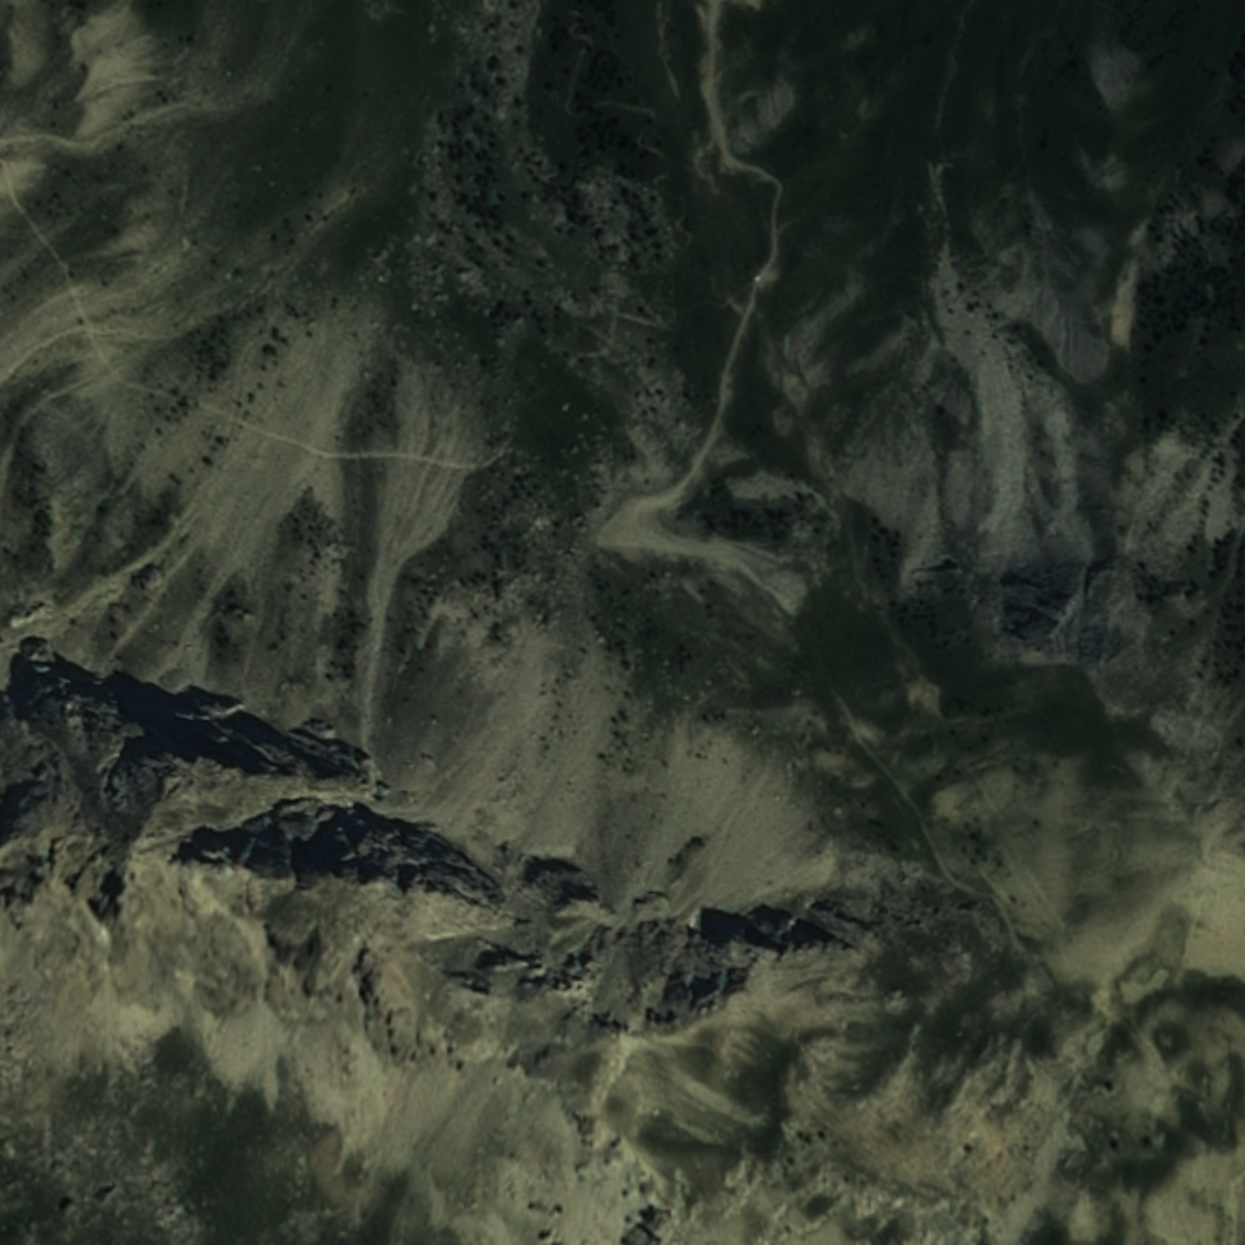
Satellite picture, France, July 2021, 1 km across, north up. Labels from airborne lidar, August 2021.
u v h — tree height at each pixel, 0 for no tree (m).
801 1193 0
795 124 0
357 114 0
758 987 0
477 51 0
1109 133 0
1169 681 0
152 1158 0
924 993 0
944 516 0
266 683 0
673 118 0
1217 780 0
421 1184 0
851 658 0
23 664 0
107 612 0
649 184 0
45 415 0
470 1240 0
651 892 0
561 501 0
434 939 0
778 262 0
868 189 0
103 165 0
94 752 0
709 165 0
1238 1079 0
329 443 0
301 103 0
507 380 0
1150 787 0
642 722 0
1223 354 0
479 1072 0
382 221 0
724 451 0
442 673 0
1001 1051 0
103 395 0
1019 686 0
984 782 0
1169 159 0
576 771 0
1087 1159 0
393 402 0
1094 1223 0
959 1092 0
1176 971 0
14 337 0
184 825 0
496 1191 0
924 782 0
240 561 0
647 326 0
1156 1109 0
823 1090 0
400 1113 0
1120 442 0
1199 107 0
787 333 0
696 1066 0
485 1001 0
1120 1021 0
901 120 0
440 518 0
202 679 0
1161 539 0
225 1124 0
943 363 0
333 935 0
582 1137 0
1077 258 0
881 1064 0
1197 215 0
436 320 0
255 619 0
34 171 0
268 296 0
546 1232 0
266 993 0
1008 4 0
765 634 0
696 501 0
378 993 0
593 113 9
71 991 0
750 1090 0
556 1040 0
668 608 0
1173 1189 0
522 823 0
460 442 0
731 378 0
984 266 0
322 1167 0
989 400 0
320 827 0
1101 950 0
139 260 0
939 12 0
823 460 0
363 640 0
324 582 0
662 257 7
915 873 0
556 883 0
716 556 0
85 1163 0
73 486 0
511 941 0
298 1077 0
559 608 0
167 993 0
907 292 0
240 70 0
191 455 0
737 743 0
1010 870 0
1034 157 0
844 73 0
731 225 0
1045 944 0
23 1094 0
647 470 0
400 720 0
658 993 0
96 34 0
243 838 0
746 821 0
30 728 0
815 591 0
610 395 0
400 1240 0
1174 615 0
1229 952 0
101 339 0
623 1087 0
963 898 0
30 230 0
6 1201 0
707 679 0
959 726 0
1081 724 0
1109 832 0
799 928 0
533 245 0
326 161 0
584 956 0
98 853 0
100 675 0
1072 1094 0
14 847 0
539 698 0
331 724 0
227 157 0
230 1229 0
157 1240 0
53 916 0
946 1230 0
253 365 0
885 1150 0
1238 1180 0
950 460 0
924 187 0
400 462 0
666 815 0
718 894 0
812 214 0
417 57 0
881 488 0
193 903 0
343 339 0
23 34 0
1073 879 0
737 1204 0
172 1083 0
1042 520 0
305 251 0
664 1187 0
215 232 0
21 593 0
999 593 0
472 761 0
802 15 0
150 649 0
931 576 0
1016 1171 0
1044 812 0
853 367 0
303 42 0
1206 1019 0
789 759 0
